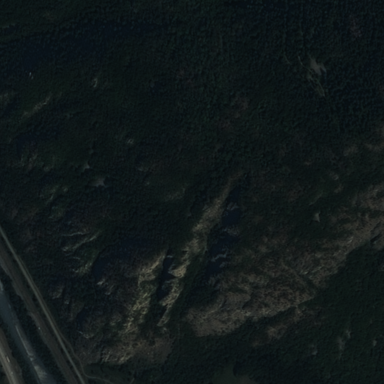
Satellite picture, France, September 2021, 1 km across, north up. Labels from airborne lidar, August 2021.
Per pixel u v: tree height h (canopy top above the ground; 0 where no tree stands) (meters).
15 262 9
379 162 13
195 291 8
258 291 7
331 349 11
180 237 10
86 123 13
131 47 17
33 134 15
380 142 7
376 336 12
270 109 9
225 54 15
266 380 28
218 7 26
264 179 7
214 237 6
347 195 10
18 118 5
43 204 6
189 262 9
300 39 12
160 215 15
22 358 11
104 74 16
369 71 34
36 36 21
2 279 9
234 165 15
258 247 10
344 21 21
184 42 25
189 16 18
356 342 14
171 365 12
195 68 18
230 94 18
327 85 15
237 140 13
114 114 15
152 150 9
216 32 9
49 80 12
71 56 10
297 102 18
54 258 10
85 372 0
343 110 13
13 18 15
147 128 16
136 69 16
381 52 20
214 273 14
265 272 8
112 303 7
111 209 7
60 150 7
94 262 8
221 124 7
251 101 10
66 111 11
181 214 13
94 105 11
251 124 11
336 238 10
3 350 0
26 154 13
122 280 9
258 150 16
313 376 9
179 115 19
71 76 14
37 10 12
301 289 7
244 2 8
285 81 21
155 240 10
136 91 20
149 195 10
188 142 10
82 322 9
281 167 13
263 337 10
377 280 12
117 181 18
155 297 14
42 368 0
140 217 20
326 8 11
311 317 8
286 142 10
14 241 14
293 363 17
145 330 9
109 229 11
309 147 12
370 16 20
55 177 14
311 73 9
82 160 15
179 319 6
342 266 10
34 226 6
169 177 8
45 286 8
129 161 14
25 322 18
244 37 22
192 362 20
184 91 17
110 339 7
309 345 14
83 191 13
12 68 15
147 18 17
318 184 8
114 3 17
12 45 19
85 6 16
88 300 13
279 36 6
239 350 20
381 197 11
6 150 13
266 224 10
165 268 11
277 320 9
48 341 0
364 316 14
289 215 7
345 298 12
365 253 9
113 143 8
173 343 7
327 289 12
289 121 10
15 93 12
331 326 8
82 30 25
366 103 22
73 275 6
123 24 23
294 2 18
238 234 8
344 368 13
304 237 9
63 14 10
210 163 14
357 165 11
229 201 9
